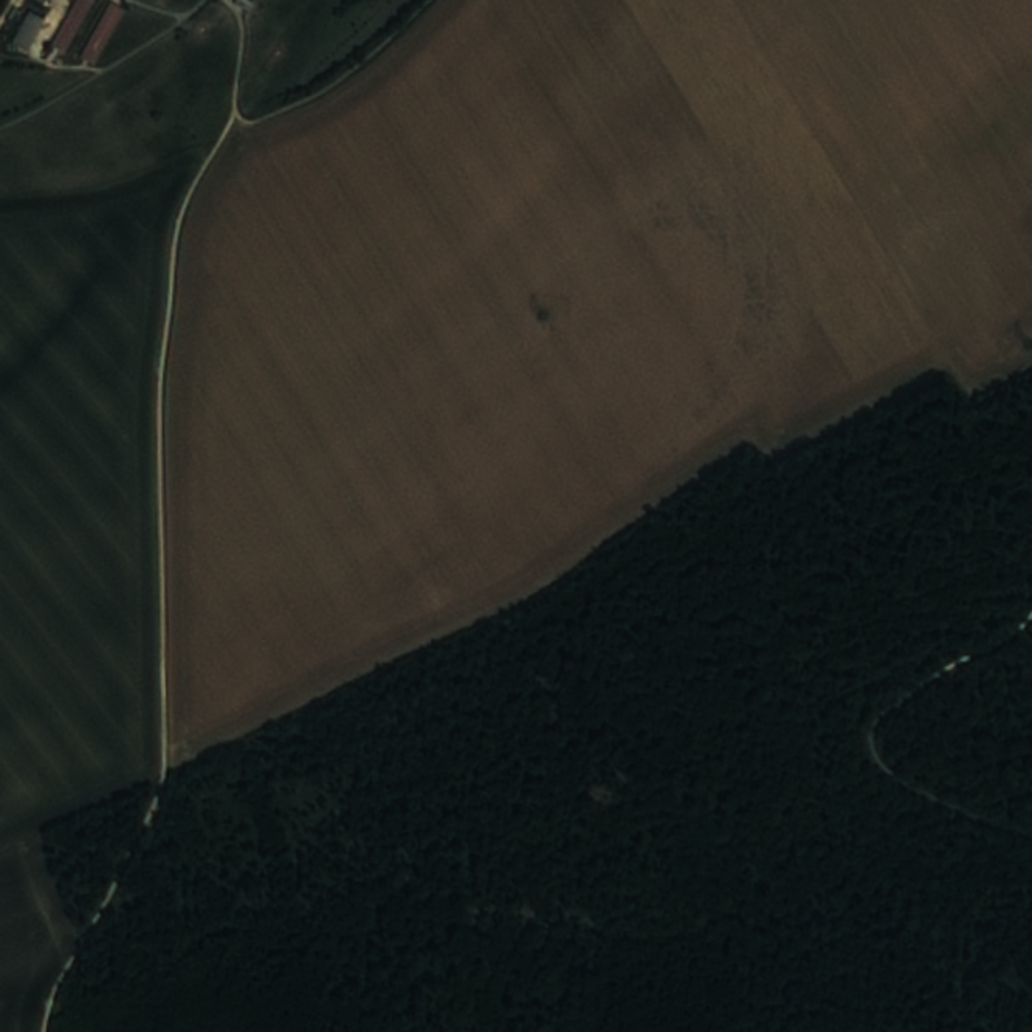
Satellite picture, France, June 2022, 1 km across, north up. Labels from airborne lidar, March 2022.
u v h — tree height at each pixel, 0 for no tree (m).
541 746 24
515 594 0
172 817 19
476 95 0
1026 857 23
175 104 0
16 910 0
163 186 0
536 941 22
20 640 0
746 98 0
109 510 0
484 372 0
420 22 0
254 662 0
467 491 0
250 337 0
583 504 0
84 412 0
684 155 0
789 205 0
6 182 0
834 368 0
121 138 0
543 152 0
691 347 0
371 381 0
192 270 0
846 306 0
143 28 0
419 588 0
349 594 0
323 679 0
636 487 0
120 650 0
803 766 20
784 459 20
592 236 0
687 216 0
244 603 0
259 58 0
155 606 0
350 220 0
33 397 0
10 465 0
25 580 0
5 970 0
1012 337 0
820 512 19
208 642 0
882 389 0
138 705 0
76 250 0
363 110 0
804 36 0
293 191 0
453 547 0
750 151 0
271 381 0
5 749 0
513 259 0
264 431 0
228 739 0
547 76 0
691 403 0
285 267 0
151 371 0
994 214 0
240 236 0
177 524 0
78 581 0
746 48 0
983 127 0
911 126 0
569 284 0
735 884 18
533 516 0
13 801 0
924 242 0
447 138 0
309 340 0
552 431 0
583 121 0
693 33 0
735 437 0
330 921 19
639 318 0
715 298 0
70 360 0
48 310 0
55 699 0
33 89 0
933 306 0
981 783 22
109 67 0
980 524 8
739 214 0
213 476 0
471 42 0
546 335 0
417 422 0
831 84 0
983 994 25
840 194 0
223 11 0
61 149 0
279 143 0
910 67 0
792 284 0
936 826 22
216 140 0
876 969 22
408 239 0
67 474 0
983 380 0
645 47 0
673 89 0
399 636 0
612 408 0
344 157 0
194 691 0
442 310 0
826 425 0
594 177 0
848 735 18
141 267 0
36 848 0
